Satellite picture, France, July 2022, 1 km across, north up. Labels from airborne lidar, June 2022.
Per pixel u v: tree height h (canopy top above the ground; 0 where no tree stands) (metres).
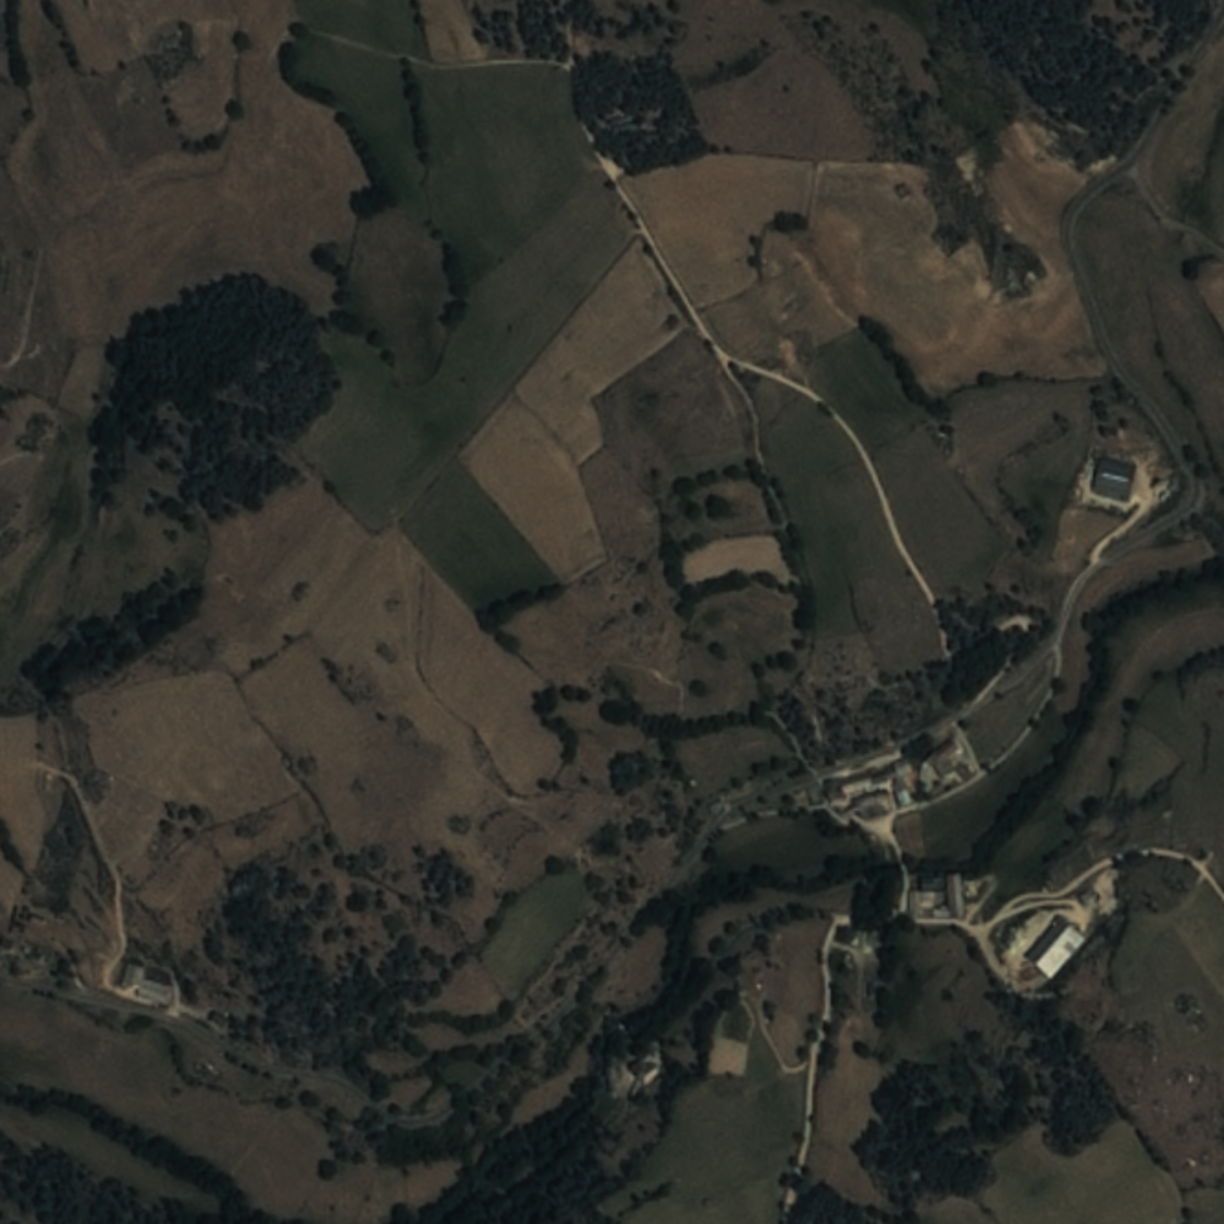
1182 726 0
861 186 0
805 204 0
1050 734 0
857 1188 0
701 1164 0
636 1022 15
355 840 0
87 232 0
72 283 0
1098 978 0
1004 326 0
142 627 9
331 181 0
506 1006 9
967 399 0
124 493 0
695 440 0
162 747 0
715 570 0
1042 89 19
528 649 0
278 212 0
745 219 0
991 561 0
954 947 0
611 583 0
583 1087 12
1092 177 0
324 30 0
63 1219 13
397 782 0
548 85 0
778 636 0
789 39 0
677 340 0
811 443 0
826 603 0
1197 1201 0
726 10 0
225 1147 0
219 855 0
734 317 0
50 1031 0
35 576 0
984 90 0
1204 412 0
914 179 0
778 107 0
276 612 0
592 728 0
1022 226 0
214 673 0
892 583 0
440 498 0
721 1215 0
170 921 0
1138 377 0
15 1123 0
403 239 0
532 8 13
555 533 0
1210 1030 0
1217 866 0
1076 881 0
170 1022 0
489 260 0
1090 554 0
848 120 0
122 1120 8
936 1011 0
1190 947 0
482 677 0
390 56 0
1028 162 0
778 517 13
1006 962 0
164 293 0
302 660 0
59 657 15
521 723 0
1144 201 0
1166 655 0
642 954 0
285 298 20
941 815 0
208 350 20
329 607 0
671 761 8
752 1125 0
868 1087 0
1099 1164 0
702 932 0
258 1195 0
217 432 15
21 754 0
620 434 0
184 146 8
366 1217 0
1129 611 14
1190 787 0
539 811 0
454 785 0
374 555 0
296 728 0
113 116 0
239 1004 0
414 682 0
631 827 10
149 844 0
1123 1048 0
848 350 0
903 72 0
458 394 0
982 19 21
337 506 0
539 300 0
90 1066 0
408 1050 17
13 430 0
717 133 0
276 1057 0
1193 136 0
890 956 21
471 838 0
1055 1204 0
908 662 0
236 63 0
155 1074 0
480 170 0
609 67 17
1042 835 0
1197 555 0
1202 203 0
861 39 0
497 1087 13
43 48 0
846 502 0
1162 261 0
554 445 0
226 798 0
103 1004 0
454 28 0
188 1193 0
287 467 12
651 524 0
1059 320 0
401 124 0
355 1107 0
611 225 0
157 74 0
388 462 0
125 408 16
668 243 0
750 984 0
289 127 0
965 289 0
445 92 0
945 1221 0
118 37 0
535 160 0
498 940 0
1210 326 0
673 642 0
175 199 0
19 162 0
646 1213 0
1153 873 0
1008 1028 0
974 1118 12
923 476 0
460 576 0
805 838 0
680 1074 17
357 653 0
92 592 0
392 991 9
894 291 0
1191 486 0
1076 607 0
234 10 0
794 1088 0
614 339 0
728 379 0
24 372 0
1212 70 0
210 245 0
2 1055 0
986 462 0
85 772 0
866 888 14
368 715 0
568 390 0
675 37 8
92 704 0
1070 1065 15
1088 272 0
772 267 0
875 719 0
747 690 0
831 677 0
